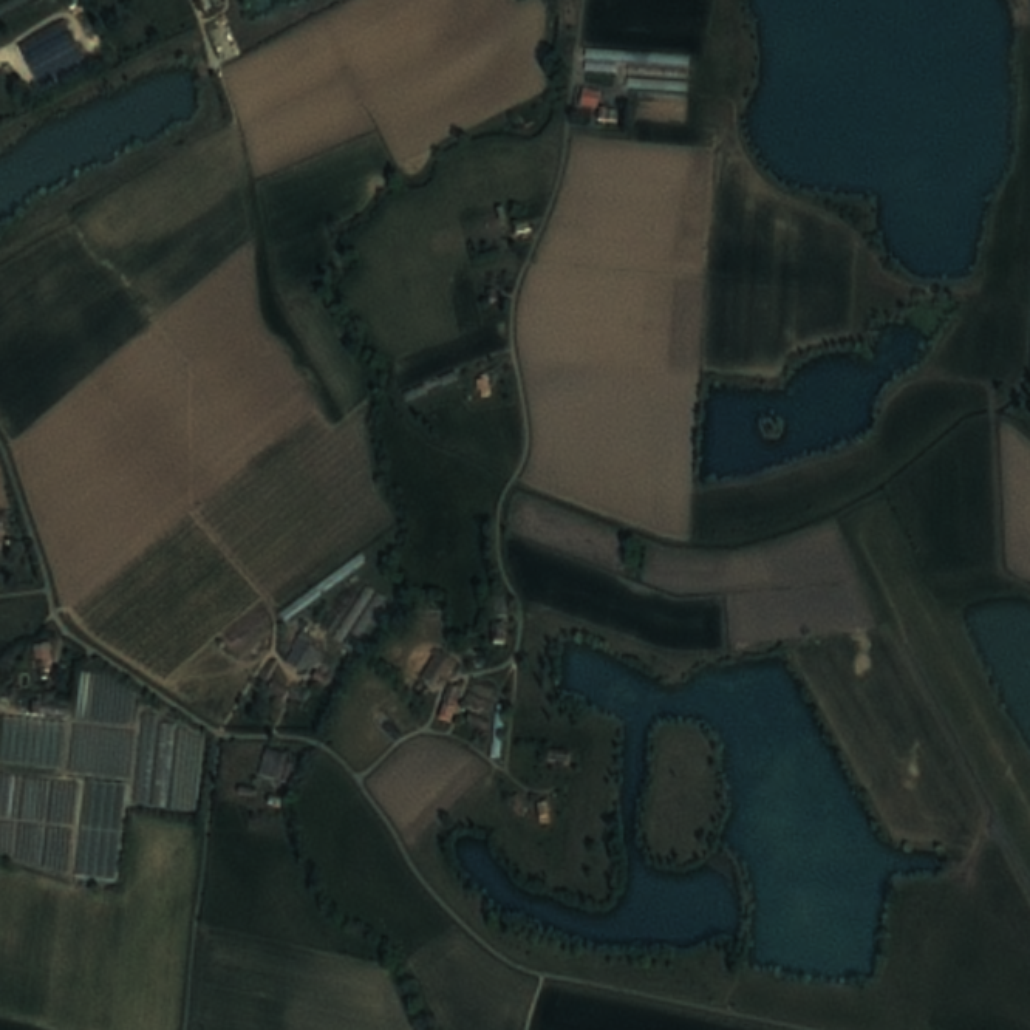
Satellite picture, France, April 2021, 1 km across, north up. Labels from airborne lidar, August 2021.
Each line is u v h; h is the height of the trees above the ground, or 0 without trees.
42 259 0
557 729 0
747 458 0
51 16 0
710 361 0
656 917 0
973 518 0
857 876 0
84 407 0
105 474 0
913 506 0
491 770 0
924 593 0
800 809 0
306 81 0
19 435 0
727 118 0
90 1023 0
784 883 0
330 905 13
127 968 0
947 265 0
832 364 0
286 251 0
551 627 0
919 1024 0
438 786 0
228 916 0
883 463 0
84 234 0
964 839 0
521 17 0
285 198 0
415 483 0
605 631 0
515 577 0
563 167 0
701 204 0
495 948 0
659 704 0
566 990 0
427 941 0
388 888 0
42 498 0
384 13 0
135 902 0
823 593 0
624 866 13
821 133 0
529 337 0
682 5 0
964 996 0
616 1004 0
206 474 0
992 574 0
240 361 0
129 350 0
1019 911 0
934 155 0
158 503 0
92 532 0
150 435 0
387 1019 0
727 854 7
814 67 0
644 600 0
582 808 0
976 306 0
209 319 0
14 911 0
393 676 17
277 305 0
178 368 0
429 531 0
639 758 0
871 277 0
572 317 0
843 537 0
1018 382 0
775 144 0
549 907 0
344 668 9
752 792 0
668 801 0
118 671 9
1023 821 0
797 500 0
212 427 0
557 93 11
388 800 0
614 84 0
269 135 0
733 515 0
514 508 0
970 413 0
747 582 0
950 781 0
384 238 0
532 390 0
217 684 0
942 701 0
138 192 0
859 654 0
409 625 31
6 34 19
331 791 0
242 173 0
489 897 7
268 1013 0
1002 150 0
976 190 0
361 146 0
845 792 0
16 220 10
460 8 0
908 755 0
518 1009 0
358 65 0
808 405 0
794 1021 0
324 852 0
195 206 0
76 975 0
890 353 0
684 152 0
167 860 0
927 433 0
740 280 0
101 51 0
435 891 0
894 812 0
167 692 0
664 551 0
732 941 11
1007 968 0
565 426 0
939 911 0
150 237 0
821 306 0
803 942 0
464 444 0
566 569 0
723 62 0
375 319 0
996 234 0
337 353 0
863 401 0
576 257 0
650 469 0
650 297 0
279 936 0
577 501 0
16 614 0
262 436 0
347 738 0
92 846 0
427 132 0
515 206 12
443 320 0
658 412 0
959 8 0
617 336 0
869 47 0
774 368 0
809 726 0
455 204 0
